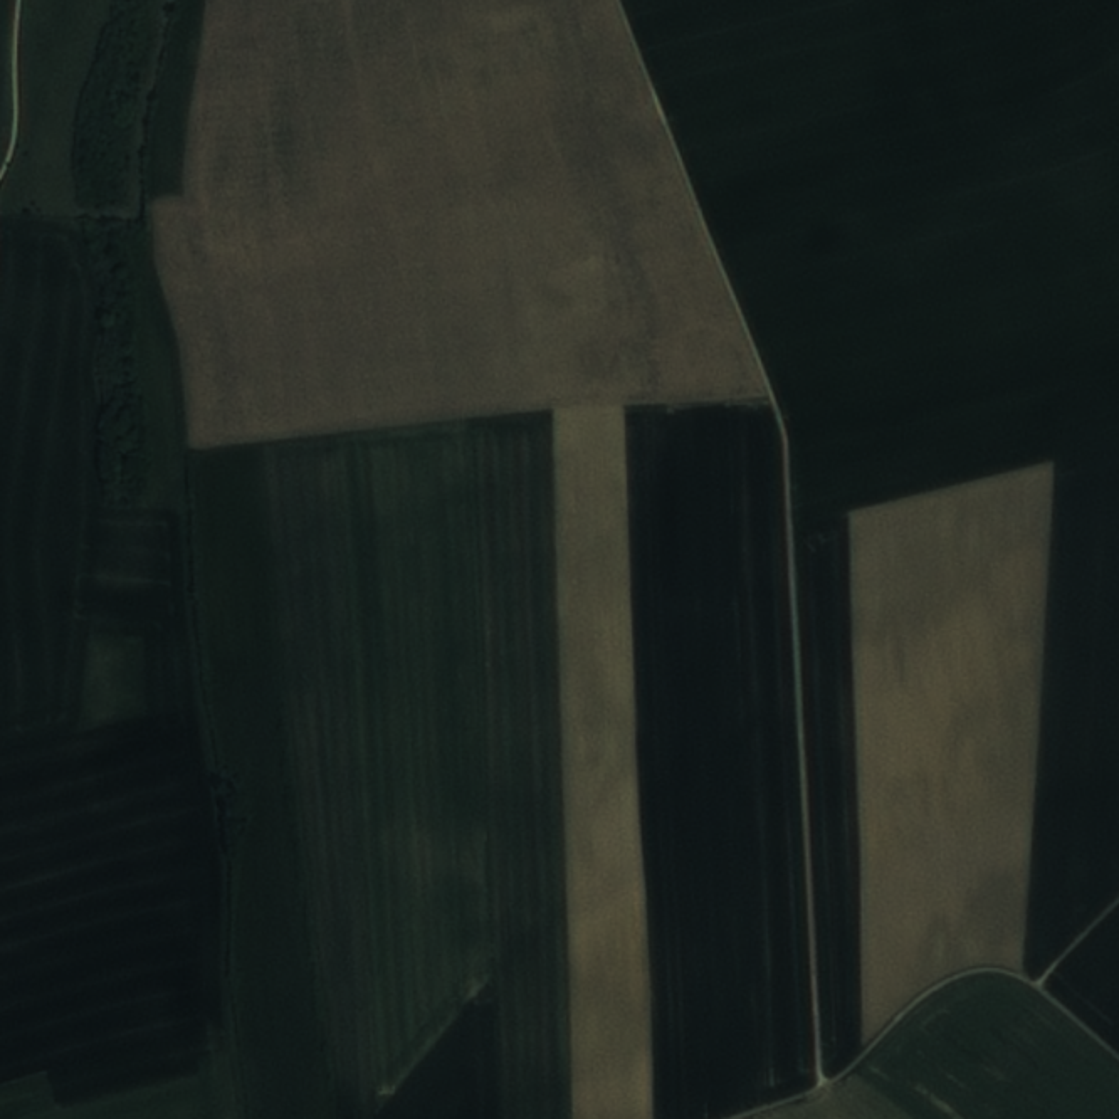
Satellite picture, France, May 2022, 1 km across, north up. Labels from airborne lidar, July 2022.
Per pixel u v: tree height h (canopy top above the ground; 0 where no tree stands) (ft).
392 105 0
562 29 0
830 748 0
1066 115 0
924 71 0
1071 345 0
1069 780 0
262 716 0
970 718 0
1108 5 0
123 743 0
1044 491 0
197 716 0
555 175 0
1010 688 0
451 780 0
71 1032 0
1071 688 0
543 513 0
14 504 0
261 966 0
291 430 0
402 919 0
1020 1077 0
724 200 0
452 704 0
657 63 0
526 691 0
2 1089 0
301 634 0
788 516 0
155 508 0
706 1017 0
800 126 0
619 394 0
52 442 0
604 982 0
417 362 0
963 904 0
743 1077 0
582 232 0
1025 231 0
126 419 53
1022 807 0
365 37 0
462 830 0
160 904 0
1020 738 0
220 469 0
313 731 0
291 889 0
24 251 0
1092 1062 0
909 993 0
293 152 0
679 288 0
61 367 0
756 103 0
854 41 0
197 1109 0
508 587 0
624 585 0
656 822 0
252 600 0
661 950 0
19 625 0
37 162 0
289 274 0
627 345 0
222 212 0
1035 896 0
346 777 0
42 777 0
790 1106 0
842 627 0
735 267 0
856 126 0
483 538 0
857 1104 0
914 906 0
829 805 0
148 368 0
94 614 0
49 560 0
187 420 0
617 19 0
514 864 0
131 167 23
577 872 0
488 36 0
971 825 0
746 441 0
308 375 0
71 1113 0
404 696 0
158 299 0
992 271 0
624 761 0
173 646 0
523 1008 0
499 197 0
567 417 0
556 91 0
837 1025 0
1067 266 0
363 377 0
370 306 0
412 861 0
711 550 0
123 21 25
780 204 0
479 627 0
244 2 0
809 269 0
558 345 0
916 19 0
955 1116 0
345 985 0
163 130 0
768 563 0
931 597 0
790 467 0
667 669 0
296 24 0
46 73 0
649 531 0
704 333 0
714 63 0
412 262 0
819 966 0
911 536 0
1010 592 0
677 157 0
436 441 0
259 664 0
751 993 0
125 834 0
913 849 0
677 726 0
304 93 0
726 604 0
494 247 0
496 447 0
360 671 0
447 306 0
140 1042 0
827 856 0
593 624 0
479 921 0
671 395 0
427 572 0
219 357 0
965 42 0
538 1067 0
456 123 0
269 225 0
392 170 0
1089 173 0
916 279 0
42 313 0
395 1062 0
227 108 0
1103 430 0
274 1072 0
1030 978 0
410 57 0
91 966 0
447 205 0
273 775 0
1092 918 0
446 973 0
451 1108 0
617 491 0
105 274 28
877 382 0
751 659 0
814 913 0
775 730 0
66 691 0
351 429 0
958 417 0
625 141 0
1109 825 0
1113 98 0
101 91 29
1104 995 0
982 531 0
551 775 0
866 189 0
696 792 0
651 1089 0
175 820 0
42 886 0
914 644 0
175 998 0
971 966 0
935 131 0
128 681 0
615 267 0
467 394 0
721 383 0
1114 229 0
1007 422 0
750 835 0
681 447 0
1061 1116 0
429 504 0
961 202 0
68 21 0
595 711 0
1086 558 0
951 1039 0
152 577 0
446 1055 0
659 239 0
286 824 0
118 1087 0
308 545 0
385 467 0
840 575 0
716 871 0
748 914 0
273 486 0
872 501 0
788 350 0
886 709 0
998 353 0
